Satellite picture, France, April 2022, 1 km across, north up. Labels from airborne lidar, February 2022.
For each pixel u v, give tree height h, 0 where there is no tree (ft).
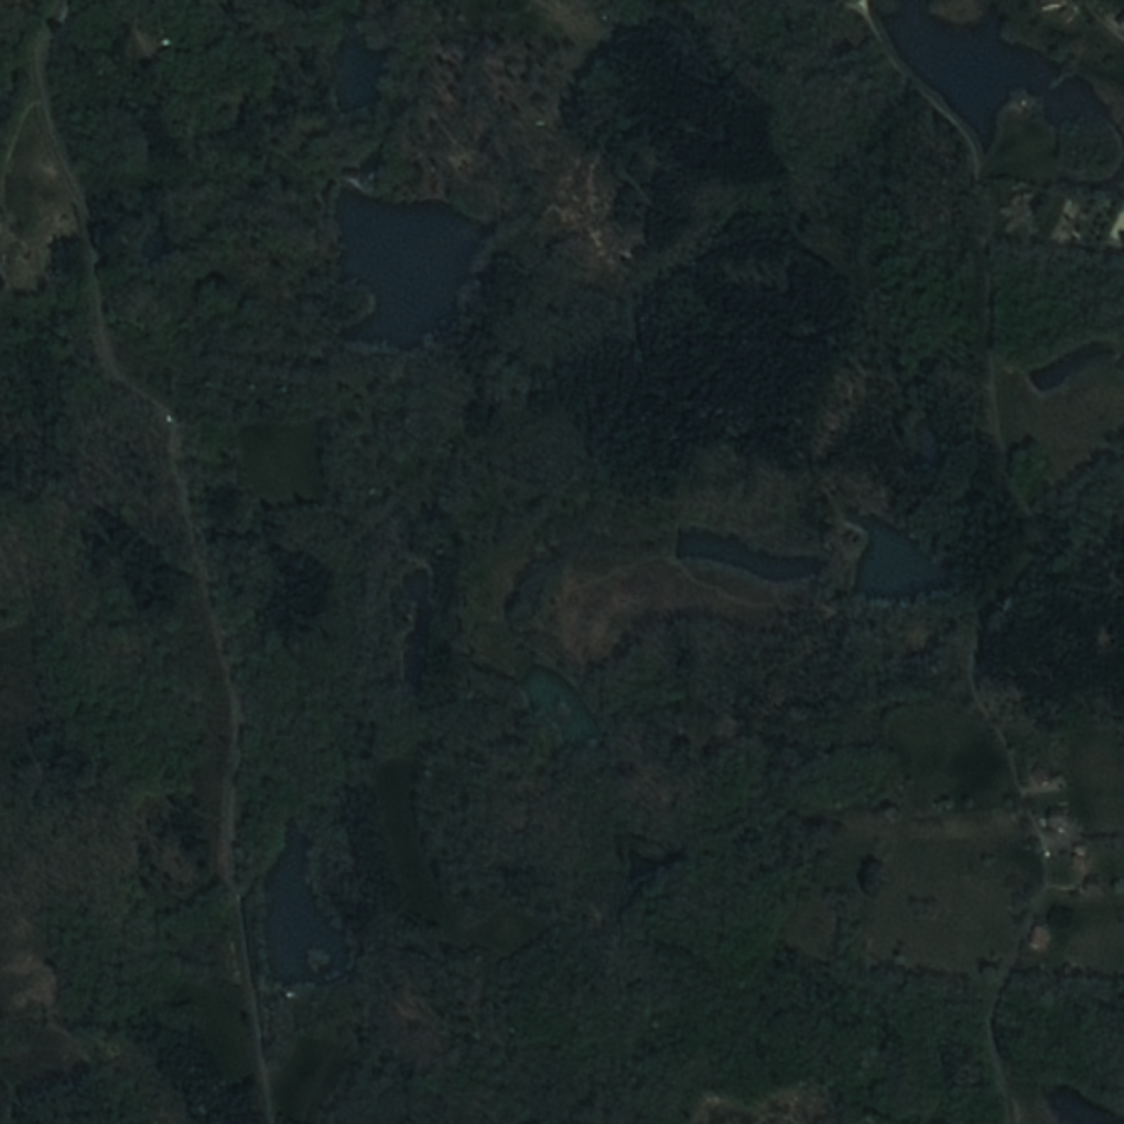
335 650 37
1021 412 0
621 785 90
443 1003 80
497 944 0
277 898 0
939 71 0
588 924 52
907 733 0
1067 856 25
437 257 0
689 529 34
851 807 48
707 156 68
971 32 0
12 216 0
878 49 52
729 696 74
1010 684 54
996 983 56
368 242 0
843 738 35
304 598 78
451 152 51
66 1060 0
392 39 55
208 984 79
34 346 35
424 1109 67
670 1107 67
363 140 67
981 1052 66
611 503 56
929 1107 77
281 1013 60
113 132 82
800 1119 0
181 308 48
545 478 77
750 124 72
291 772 78
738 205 58
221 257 88
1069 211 0
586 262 45
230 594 70
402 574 40
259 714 70
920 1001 62
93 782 71
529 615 60
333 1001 28
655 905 51
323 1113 0
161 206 81
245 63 74
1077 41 35
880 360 70
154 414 54
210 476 64
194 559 68
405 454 68
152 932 70
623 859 46
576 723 0
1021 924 35
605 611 0
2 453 62
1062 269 63
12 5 100
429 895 0
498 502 0
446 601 62
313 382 54
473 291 63
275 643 81
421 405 84
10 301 0
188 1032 61
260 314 65
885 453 23
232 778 0
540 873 70
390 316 0
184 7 67
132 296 79
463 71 23
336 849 92
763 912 73
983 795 0
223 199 79
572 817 69
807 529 54
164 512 68
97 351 79
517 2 0
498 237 74
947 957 0
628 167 39
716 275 81
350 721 47
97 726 71
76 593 72
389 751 73
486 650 0
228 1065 0
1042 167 0
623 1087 59
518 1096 65
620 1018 49
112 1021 77
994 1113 54
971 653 0
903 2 0
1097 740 0
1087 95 0
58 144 0
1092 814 0
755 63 39
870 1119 66
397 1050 74
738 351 71
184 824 32
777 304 79
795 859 85
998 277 65
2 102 84
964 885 0
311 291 49
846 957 54
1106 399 0
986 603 87
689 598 0
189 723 67
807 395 79
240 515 39
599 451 63
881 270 50
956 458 68
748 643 82
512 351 61
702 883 60
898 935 0
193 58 51
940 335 65
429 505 0
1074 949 0
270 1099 0
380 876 98
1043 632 34
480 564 32
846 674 75
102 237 81
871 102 64
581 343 73
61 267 58
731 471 52
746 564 0
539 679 0
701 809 63
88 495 86
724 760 78
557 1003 53
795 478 59
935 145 34
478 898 57
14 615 84
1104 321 75
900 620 47
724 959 66
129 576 78
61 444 67
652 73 73
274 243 77
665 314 80
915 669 61
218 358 75
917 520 54
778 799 40
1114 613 38
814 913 0
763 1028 46
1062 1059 40
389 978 69
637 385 93
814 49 40
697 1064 65
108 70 45
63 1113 98
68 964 76
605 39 0
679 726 84
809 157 71
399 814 0
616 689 70
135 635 78
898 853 0
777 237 88
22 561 84
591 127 39
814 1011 50
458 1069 81
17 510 78
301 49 39
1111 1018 73
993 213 47
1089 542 63
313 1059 0
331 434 64
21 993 0
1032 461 40
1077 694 33
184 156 45
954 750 0
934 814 20
